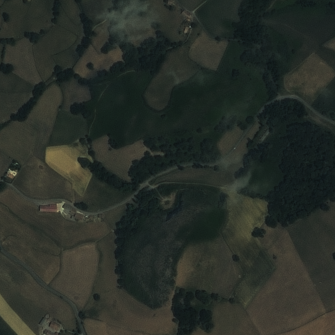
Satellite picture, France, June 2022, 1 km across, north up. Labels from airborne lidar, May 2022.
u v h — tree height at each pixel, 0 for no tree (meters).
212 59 0
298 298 0
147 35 0
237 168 0
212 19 0
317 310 0
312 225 0
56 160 0
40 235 0
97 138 0
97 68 0
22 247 0
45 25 0
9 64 9
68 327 0
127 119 0
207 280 0
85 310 0
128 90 0
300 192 30
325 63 0
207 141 21
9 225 0
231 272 0
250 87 0
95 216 0
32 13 0
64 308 0
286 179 19
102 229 0
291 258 0
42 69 0
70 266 0
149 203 7
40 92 14
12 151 0
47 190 0
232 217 0
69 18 0
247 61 10
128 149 0
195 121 0
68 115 0
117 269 14
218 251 0
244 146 0
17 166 8
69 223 0
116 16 17
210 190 0
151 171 25
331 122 0
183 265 0
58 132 0
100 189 0
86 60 0
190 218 0
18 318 0
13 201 0
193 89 0
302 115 23
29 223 0
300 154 22
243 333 0
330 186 27
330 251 0
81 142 13
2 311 0
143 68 23
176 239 0
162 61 11
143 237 0
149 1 0
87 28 20
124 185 25
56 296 0
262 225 0
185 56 0
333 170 30
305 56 0
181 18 0
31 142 0
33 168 0
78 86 0
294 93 0
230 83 0
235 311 0
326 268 0
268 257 0
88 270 0
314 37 0
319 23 0
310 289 0
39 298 0
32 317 0
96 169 14
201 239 0
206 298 24
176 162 19
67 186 0
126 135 0
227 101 0
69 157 0
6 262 0
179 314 28
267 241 0
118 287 9
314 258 0
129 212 17
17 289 0
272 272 0
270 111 21
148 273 0
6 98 0
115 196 0
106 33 0
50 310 0
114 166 0
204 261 0
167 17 0
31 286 0
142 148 0
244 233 0
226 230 0
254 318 0
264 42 26
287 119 21
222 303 0
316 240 0
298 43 0
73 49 0
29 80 0
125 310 0
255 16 18
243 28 13
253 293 0
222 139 0
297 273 0
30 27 0
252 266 0
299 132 23
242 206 0
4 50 9
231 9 0
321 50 0
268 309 0
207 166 8
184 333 17
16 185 0
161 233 0
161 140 20
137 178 20
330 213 0
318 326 0
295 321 0
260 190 0
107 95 0
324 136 31
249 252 0
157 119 0
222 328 0
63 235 0
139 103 0
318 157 21
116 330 0
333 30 0
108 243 0
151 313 0
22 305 0
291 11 0
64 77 19
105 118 0
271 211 17
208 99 0
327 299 0
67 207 0
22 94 0
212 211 0
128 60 24
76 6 0
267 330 0
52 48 0
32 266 0
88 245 0
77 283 0
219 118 0
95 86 0
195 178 0
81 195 0
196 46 0
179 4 0
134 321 0
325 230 0
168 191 0
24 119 14
